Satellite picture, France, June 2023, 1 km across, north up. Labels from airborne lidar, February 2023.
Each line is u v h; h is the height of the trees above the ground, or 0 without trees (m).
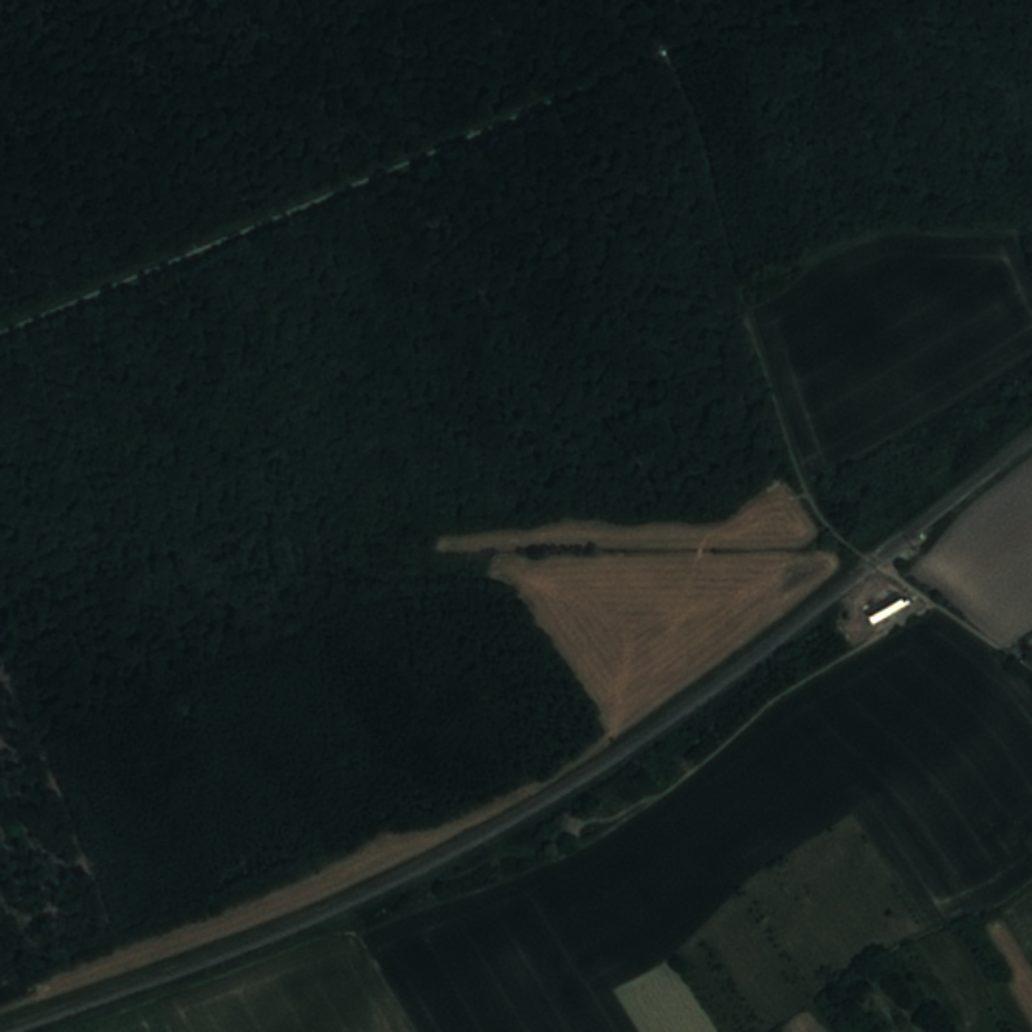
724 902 0
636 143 26
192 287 26
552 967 0
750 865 0
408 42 29
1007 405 7
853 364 0
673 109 27
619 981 0
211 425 17
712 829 0
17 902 16
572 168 27
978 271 0
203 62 30
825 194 25
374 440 21
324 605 25
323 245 27
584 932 0
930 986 0
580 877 0
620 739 0
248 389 22
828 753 0
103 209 24
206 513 23
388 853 0
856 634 0
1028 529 0
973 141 21
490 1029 0
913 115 24
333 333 23
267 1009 0
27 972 19
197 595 30
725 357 25
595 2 29
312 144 26
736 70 21
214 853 14
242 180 29
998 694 0
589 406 26
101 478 24
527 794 0
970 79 23
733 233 17
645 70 26
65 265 25
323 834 14
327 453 22
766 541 0
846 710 0
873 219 20
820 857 0
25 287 24
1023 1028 0
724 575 0
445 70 27
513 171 31
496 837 0
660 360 29
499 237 28
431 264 27
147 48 30
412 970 0
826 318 0
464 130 25
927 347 0
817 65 20
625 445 24
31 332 17
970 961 0
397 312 21
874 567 0
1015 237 0
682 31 21
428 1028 0
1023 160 24
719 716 7
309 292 24
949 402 0
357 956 0
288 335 24
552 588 0
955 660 0
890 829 0
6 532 25
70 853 25
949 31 21
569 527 0
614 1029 0
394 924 0
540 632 17
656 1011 0
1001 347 0
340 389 25
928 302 0
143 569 30
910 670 0
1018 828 0
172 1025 0
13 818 30
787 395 0
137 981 0
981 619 0
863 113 25
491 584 15
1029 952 0
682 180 19
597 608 0
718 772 0
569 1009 0
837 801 0
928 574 0
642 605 0
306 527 25
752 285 17
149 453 22
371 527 17
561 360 30
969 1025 0
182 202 26
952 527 0
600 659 0
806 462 0
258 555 24
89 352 22
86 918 23
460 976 0
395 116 32
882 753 0
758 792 0
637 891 0
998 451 0
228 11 32
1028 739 0
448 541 0
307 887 0
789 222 17
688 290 27
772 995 0
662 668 0
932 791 0
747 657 0
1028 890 0
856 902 0
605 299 27
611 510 19
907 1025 13
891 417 0
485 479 26
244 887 24
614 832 0
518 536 0
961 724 0
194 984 0
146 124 30
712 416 28
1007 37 25
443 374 24
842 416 0
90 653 31
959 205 20
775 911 0
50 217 25
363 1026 0
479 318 24
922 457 7
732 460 25
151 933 21
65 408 24
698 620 0
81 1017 0
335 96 30
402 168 0
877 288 0
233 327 27
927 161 24
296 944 0
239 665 17
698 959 0
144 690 27
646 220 26
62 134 29
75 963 20
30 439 22
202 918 18
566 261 27
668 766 8
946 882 0
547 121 28
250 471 20
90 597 31
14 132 26
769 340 0
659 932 0
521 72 31
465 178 30
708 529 0
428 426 23
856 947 0
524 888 0
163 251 19
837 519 16
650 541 0
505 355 23
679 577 0
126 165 26
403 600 16
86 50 28
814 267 0
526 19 31
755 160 17
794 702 0
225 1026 0
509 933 0
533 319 25
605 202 27
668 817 0
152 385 26
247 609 28
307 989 0
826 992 7
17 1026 0
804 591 0
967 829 0
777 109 21
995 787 0
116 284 0
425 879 0
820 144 27
